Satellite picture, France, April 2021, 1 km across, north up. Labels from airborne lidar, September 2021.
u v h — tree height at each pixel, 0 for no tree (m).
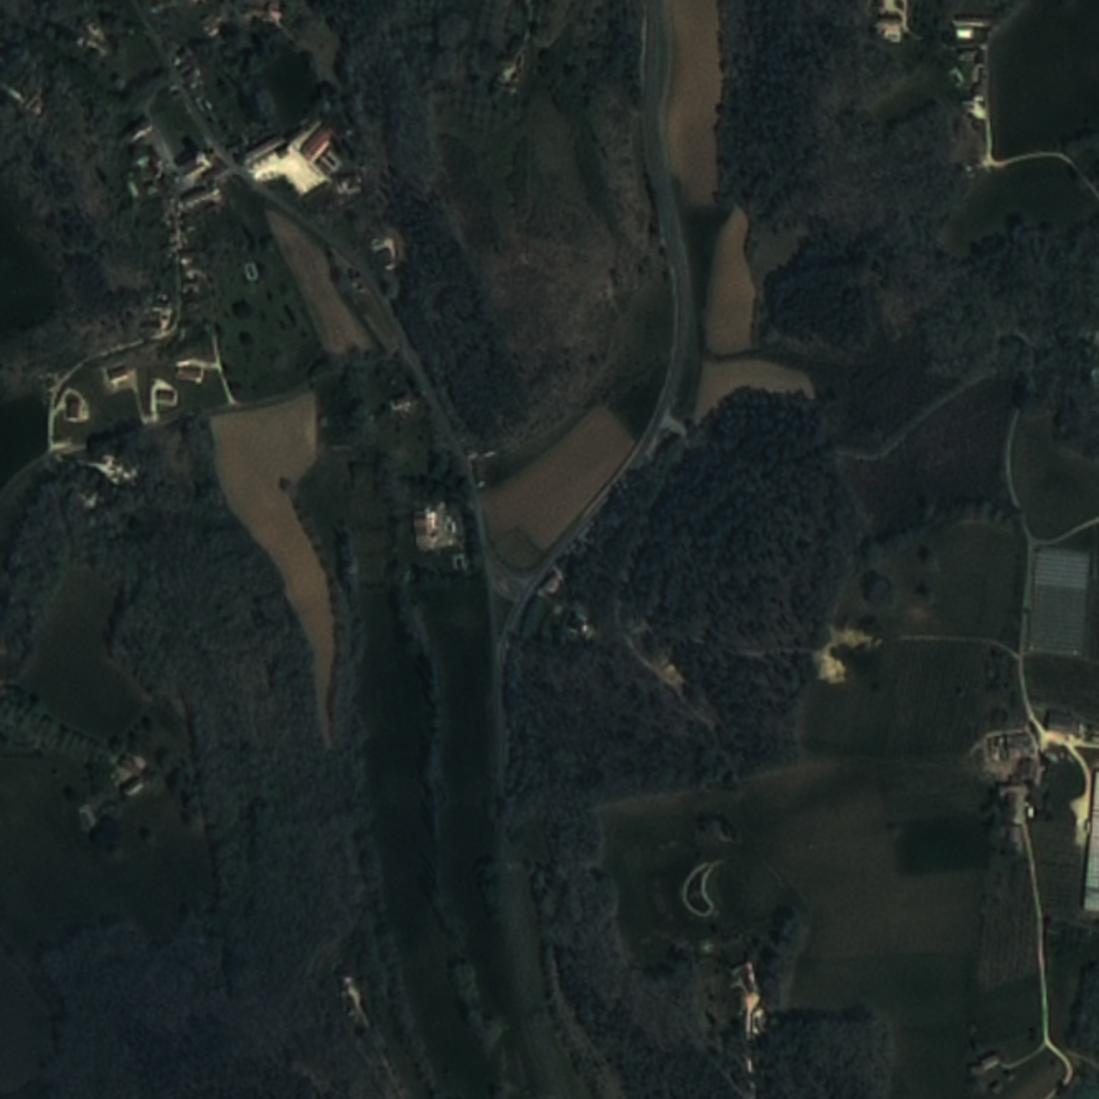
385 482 14
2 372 11
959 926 0
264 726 8
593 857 20
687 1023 24
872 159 21
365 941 16
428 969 0
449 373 18
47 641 0
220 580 14
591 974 17
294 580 0
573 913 19
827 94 15
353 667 15
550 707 24
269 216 0
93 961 21
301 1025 19
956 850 0
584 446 0
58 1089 16
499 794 0
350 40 21
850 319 20
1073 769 0
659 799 24
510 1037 0
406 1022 20
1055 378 17
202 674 24
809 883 0
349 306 0
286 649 13
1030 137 0
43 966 19
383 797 0
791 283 19
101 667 0
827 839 0
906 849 0
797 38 13
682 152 0
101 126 20
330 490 0
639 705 22
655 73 0
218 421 0
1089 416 18
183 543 21
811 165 21
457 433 7
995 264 23
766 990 20
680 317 0
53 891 0
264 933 26
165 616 26
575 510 0
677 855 0
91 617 0
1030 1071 0
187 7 14
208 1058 22
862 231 16
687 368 0
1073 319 24
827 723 0
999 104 0
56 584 20
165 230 10
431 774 27
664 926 0
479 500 0
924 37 7
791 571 21
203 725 23
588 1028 14
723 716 19
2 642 25
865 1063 21
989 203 0
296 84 0
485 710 0
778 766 18
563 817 19
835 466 17
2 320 0
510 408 17
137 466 16
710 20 0
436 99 10
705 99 0
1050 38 0
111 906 0
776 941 9
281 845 30
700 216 0
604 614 17
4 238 0
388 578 11
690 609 6
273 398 0
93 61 14
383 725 0
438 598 0
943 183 26
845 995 0
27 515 18
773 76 12
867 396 6
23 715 14
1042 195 0
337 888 17
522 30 0
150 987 24
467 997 16
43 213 15
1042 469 0
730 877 0
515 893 0
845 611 0
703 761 19
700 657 11
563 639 13
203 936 19
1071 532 0
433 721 12
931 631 0
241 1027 19
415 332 19
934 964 0
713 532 14
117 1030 24
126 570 22
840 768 0
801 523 23
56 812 0
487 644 0
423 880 0
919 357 11
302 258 0
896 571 0
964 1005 0
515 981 0
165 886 0
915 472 6
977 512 13
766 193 10
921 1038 0
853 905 0
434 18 11
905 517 6
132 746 6
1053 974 0
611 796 23
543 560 0
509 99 9
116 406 0
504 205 0
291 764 21
